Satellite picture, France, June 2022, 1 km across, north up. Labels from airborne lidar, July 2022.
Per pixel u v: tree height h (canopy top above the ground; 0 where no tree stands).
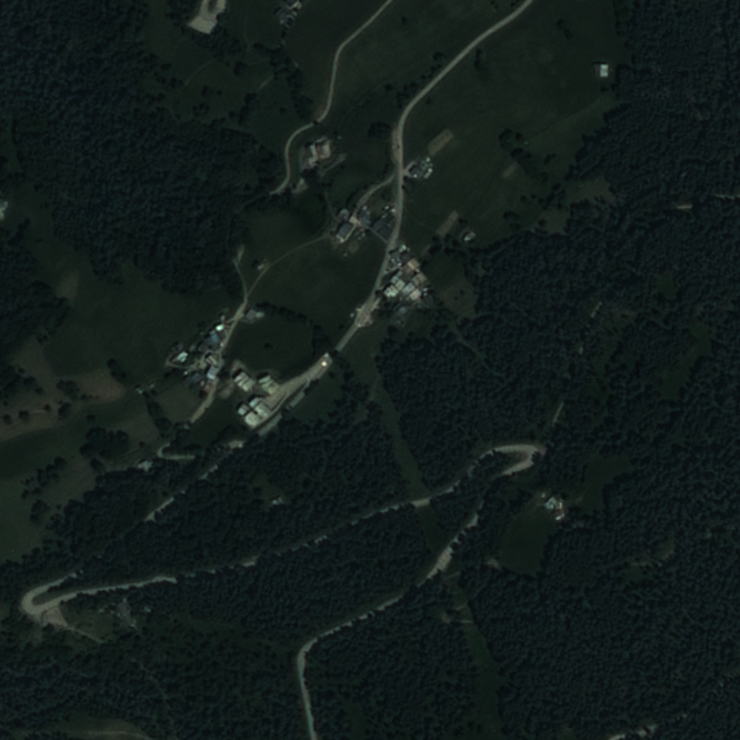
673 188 33
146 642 8
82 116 30
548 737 26
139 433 0
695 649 28
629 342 26
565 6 0
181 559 27
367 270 0
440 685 16
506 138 14
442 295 0
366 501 19
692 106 20
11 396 16
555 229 0
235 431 9
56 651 19
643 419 25
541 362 22
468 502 20
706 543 20
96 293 0
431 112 0
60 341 0
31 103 34
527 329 27
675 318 16
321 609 25
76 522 19
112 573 24
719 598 26
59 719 17
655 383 20
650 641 28
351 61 0
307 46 0
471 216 0
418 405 23
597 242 24
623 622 28
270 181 20
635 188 21
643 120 24
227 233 17
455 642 29
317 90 0
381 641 28
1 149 16
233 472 19
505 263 17
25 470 0
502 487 23
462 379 27
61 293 0
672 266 24
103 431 12
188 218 18
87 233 19
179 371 8
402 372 20
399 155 0
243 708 9
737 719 22
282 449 19
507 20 0
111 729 0
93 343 0
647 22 26
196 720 16
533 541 0
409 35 0
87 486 0
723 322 11
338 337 0
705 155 17
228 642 12
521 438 13
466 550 10
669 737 20
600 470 0
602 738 20
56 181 17
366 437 18
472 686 21
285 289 0
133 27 16
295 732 22
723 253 27
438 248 12
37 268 21
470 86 0
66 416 13
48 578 13
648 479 26
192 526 25
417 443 25
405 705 21
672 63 25
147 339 0
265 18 0
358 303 0
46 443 0
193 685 16
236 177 22
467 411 24
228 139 22
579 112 0
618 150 25
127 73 25
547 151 0
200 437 0
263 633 17
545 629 25
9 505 0
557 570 26
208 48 12
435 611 25
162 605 18
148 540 23
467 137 0
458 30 0
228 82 0
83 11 19
